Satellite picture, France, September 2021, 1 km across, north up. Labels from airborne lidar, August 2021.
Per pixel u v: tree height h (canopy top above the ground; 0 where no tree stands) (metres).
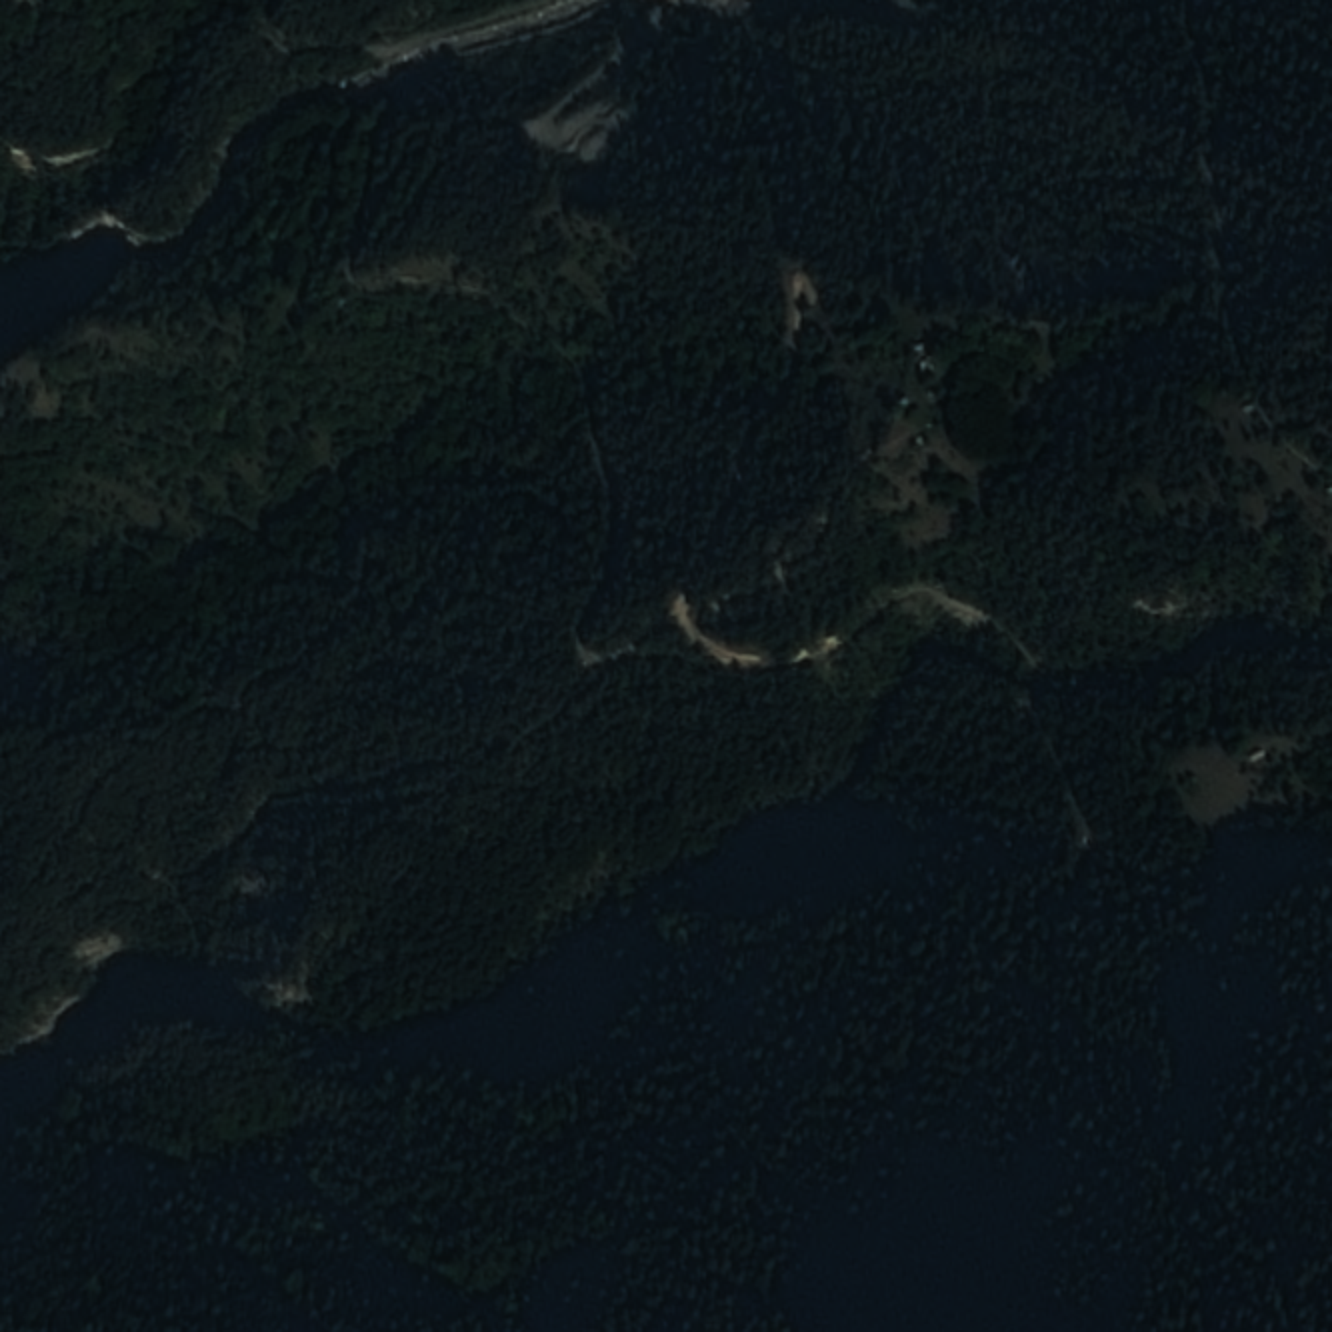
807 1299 13
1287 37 11
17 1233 19
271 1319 15
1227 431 7
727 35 15
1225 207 11
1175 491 11
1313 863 29
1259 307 14
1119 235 7
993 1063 27
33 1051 14
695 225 13
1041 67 8
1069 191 10
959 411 23
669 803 24
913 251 9
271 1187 18
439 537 24
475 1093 28
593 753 26
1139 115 11
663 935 20
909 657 10
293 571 21
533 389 19
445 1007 24
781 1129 30
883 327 16
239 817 14
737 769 25
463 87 14
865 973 11
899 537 9
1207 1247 19
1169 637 11
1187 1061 10
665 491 19
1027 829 16
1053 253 10
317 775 11
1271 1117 19
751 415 14
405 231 12
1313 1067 31
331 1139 23
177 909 9
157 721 11
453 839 19
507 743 10
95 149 22
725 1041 16
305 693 16
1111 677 20
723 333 12
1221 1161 33
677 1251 28
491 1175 16
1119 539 16
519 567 18
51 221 21
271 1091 21
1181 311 10
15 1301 20
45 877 16
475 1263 25
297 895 9
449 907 31
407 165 13
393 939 24
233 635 16
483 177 14
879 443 8
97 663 22
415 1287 14
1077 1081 22
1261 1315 20
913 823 31
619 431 12
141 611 22
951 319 13
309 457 16
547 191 13
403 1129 24
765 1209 27
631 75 6
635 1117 33
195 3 26
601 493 21
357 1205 14
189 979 8
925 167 10
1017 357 16
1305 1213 24
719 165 26
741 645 27
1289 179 22
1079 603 15
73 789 12
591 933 18
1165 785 18
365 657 12
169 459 10
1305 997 13
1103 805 30
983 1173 20
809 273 13
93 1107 24
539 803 20
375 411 16
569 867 23
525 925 25
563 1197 21
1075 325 9
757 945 11
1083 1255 21
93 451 9
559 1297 17
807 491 18
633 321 12
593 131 0
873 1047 30
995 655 22
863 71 17
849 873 29
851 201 14
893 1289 25
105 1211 17
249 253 16
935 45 9
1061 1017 16
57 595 24
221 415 12
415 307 9
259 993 6
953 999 24
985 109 13
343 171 20
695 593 17
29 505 14
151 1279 20
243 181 22
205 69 13
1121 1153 24
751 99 18
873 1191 29
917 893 25
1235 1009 9
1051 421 20
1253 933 23
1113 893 13
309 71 18
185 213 20
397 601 17
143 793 15
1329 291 24
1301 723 19
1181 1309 26
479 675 14
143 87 25
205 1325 23
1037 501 19
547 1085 11
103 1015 6
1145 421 29
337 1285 16
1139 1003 7
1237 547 15
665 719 22
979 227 11
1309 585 11
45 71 14
